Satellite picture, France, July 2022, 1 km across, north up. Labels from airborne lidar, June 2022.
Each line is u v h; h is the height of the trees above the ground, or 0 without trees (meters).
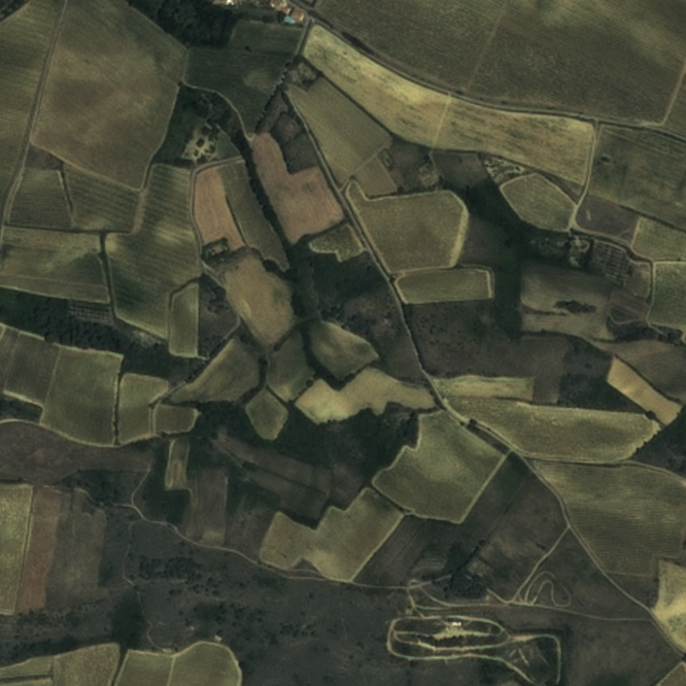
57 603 0
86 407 0
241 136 10
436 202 0
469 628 0
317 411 0
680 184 0
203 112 6
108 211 0
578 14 0
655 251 0
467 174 0
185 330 0
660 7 0
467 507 0
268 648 0
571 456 0
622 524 0
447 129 0
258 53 0
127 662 0
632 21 0
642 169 0
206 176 0
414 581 0
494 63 0
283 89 11
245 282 0
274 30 0
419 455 0
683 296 0
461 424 5
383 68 0
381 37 0
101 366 0
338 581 0
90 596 0
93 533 0
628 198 0
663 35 0
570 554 0
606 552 0
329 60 0
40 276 0
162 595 0
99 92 0
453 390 0
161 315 0
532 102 0
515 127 0
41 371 0
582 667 0
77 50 0
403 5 0
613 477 0
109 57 0
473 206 8
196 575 12
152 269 0
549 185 0
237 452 0
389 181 0
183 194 0
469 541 0
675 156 0
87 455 0
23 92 0
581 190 0
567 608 0
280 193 0
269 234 0
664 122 0
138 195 0
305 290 0
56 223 0
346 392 0
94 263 0
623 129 0
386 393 0
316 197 0
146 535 0
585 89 0
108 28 0
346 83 0
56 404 0
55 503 0
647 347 0
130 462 0
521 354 0
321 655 0
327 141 0
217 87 0
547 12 0
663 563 0
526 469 0
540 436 0
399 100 0
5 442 0
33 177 0
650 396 0
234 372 0
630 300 0
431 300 0
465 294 0
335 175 0
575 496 0
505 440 0
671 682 0
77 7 0
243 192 0
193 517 0
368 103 0
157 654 0
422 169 0
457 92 7
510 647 0
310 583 0
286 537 0
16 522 0
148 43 0
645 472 0
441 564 0
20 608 0
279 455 0
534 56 0
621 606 0
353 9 0
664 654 0
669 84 0
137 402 0
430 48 0
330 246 0
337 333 0
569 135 0
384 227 0
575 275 0
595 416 0
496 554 0
